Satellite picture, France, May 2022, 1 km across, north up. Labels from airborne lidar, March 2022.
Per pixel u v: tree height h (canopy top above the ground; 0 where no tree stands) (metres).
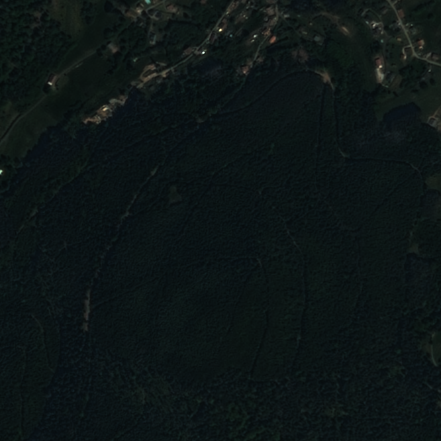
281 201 15
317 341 17
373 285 18
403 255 21
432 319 18
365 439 28
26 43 31
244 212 18
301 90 16
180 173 18
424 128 17
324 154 17
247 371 15
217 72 29
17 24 14
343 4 26
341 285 18
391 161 13
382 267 18
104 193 17
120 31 8
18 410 10
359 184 18
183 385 19
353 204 18
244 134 21
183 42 18
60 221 20
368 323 26
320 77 13
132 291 9
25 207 16
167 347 10
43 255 28
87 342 18
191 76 15
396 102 0
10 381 15
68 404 28
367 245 19
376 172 13
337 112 17
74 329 25
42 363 12
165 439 13
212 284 9
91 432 21
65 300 22
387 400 29
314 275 12
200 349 8
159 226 12
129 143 24
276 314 12
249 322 11
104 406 15
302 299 15
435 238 9
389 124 30
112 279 17
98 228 24
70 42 11
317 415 27
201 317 9
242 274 12
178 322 7
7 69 27
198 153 16
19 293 11
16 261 15
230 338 12
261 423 24
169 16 0
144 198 11
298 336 12
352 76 12
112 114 0
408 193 20
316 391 24
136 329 11
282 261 15
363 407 29
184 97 18
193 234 16
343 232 23
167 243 12
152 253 13
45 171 9
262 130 18
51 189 20
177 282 10
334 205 20
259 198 22
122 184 17
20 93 14
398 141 25
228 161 9
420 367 36
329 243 21
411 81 15
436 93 0
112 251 15
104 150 29
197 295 11
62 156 34
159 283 12
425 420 19
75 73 0
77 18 0
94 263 24
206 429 23
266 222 22
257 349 16
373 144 21
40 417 14
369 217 18
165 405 21
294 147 17
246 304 13
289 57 20
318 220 23
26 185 16
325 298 16
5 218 28
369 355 26
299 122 10
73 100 0
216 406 25
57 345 17
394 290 19
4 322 14
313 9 35
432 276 21
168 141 25
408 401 27
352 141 24
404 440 18
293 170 16
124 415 15
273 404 27
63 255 16
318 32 8
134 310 10
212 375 11
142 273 15
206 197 20
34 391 11
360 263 23
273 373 12
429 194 25
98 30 0
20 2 12
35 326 10
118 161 24
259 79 16
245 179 12
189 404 24
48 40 12
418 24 0
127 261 13
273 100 14
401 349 30
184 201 10
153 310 13
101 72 0
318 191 19
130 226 19
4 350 7
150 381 20
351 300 17
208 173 16
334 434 29
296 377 25
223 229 18
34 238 8
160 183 18
